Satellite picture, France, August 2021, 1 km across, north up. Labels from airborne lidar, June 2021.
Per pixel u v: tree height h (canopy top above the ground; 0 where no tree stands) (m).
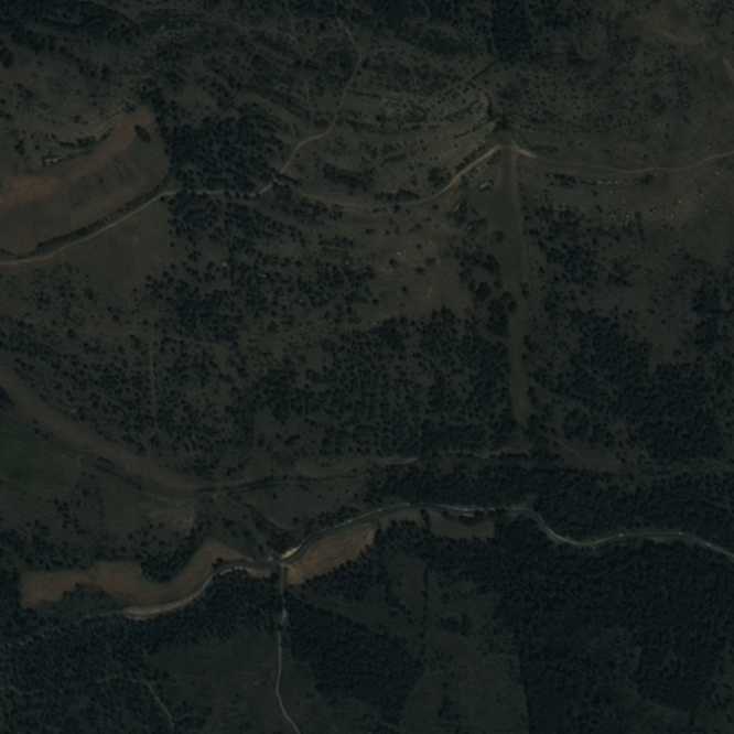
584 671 11
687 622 13
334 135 0
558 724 12
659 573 13
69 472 0
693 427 8
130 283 0
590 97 0
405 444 8
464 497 13
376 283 0
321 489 0
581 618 13
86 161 0
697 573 13
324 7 6
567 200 0
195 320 9
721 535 14
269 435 0
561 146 0
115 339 0
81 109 0
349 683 8
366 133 0
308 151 0
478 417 10
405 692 13
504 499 9
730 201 0
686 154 0
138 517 0
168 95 0
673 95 0
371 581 6
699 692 10
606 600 10
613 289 0
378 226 0
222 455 0
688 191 0
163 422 9
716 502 12
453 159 0
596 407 10
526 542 9
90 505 0
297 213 8
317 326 0
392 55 0
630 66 0
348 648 14
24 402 0
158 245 0
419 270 7
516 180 0
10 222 0
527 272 0
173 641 12
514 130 0
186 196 11
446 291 0
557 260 11
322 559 0
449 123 0
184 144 11
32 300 0
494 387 14
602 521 12
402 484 11
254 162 10
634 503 15
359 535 0
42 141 0
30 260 0
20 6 13
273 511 0
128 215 0
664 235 0
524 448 0
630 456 0
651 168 0
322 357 0
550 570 7
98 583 0
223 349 0
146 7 0
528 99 0
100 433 6
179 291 9
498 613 8
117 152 0
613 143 0
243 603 10
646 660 8
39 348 7
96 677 11
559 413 0
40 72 0
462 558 9
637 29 0
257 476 0
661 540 0
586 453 0
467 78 0
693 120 0
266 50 0
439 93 0
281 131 0
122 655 12
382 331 9
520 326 0
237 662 0
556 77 0
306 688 0
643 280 0
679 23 0
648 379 6
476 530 0
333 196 0
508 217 0
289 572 0
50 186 0
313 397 11
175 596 0
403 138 0
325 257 0
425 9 7
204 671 0
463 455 7
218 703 0
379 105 0
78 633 12
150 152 0
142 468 0
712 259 0
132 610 0
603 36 0
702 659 12
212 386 0
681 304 0
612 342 9
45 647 11
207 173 9
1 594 8
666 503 13
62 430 0
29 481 0
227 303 8
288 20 0
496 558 8
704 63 0
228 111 0
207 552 0
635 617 14
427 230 0
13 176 0
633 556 15
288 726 0
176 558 11
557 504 14
